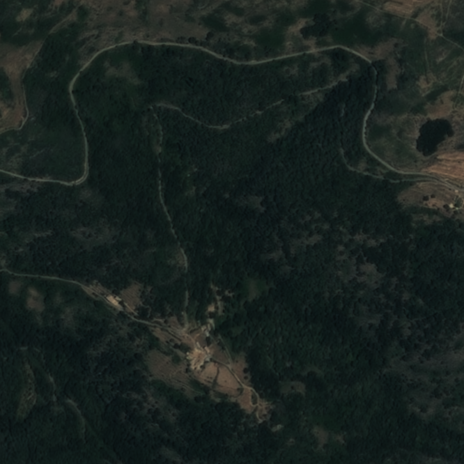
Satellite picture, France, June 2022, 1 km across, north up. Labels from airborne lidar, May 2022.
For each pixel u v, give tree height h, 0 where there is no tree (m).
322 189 8
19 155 0
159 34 0
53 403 14
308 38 9
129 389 8
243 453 10
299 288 19
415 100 0
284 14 0
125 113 9
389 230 7
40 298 0
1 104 0
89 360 9
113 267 5
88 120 13
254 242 10
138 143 6
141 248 8
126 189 17
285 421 7
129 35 0
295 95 9
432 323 11
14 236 9
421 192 0
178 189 12
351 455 13
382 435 17
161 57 6
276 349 19
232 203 16
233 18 0
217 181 9
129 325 9
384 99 6
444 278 17
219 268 16
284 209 15
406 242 11
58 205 10
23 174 8
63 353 10
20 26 0
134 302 0
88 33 0
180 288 15
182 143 14
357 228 15
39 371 16
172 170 8
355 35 0
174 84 6
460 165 0
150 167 12
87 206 9
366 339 16
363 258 14
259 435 10
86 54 0
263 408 0
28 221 13
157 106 14
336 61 10
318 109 19
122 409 15
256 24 0
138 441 29
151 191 13
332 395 16
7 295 7
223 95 6
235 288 14
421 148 13
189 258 9
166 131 12
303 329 19
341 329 17
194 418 9
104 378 11
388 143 0
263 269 17
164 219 11
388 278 9
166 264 6
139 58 0
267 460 11
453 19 0
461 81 0
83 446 14
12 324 11
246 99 9
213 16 0
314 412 15
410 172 0
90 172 7
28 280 13
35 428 8
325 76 11
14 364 10
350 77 13
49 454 15
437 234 15
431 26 0
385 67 9
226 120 13
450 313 14
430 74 0
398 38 0
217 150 9
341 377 12
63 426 14
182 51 8
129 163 16
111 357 12
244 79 8
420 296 14
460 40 0
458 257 7
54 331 25
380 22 0
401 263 9
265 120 11
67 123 5
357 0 0
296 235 11
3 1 0
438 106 0
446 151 0
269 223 12
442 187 0
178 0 0
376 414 6
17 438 14
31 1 0
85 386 13
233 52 14
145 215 9
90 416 16
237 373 0
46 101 7
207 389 6
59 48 8
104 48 0
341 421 9
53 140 0
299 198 6
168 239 7
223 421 11
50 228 12
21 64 0
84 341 11
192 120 9
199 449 12
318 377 16
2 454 16
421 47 0
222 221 10
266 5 0
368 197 8
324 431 0
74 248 11
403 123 0
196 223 14
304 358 19
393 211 10
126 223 12
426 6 0
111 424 23
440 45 0
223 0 0
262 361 16
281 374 13
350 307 9
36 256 15
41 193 8
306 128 12
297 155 11
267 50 10
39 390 14
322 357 13
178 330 0
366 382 12
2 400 14
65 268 15
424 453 8
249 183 17
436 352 10
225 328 12
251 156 11
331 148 8
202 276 10
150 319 8
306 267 11
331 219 11
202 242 11
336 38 0
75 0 0
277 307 14
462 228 12
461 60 0
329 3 0
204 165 10
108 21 0
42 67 8
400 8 0
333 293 11
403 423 15
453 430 19
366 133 7
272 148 12
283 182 7
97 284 6
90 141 7
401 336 12
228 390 0
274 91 12
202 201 21
